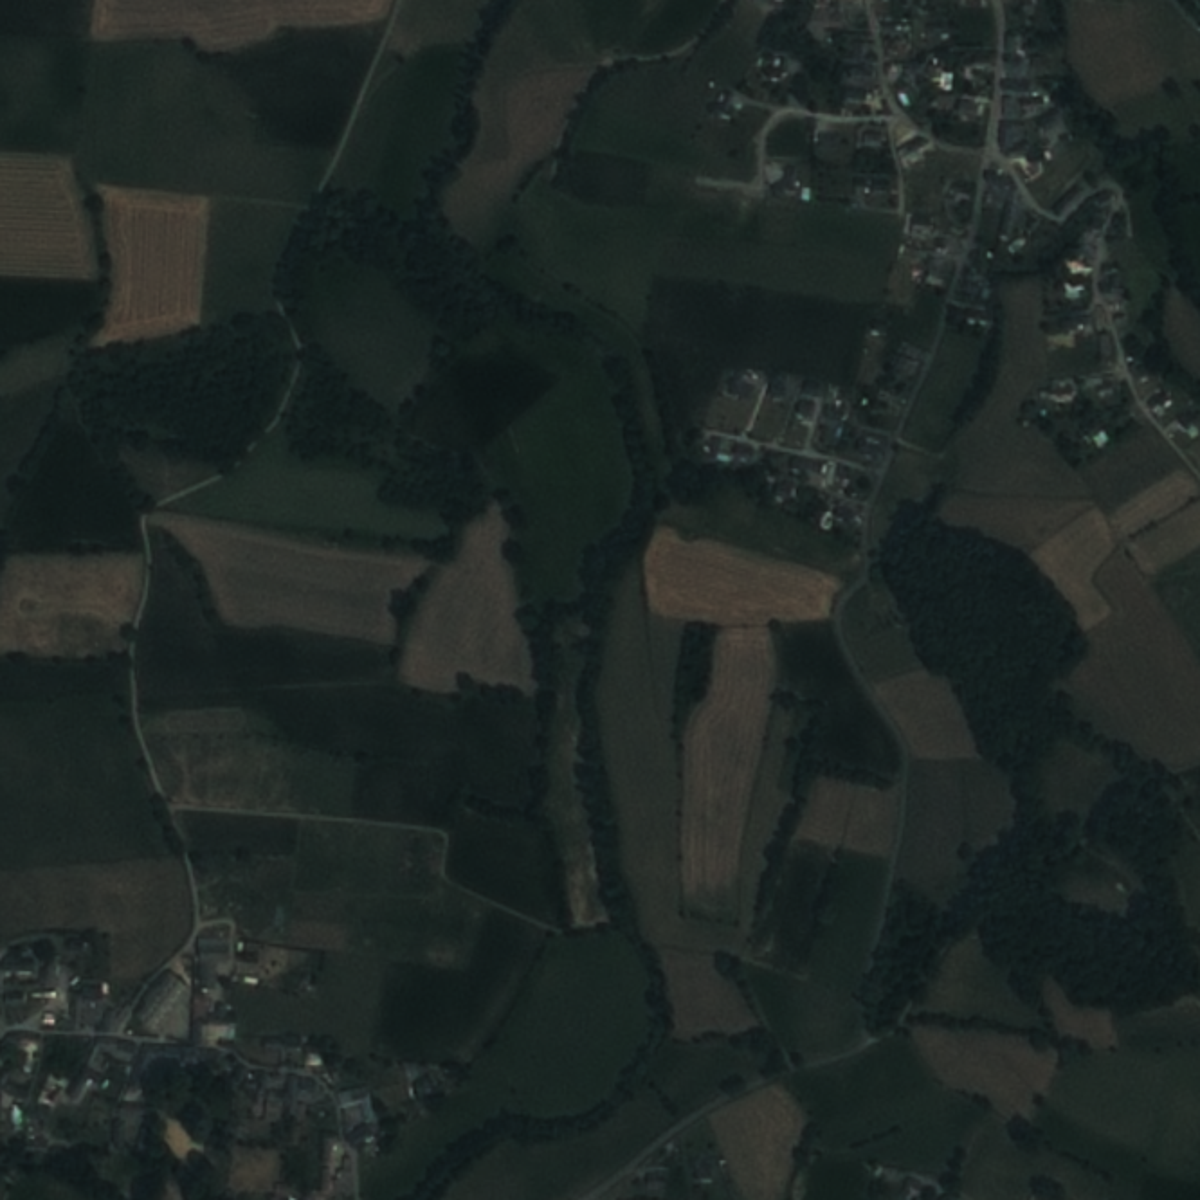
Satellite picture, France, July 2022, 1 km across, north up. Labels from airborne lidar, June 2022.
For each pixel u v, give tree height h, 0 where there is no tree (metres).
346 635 0
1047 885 17
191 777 0
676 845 0
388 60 0
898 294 0
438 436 0
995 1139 0
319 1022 0
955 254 0
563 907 7
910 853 0
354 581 0
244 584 0
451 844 0
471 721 0
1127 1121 0
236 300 0
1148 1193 0
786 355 0
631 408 19
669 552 0
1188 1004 0
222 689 0
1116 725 0
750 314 0
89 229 0
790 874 0
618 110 0
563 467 0
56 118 0
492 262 0
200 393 9
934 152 0
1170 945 16
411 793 0
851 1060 0
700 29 0
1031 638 25
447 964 0
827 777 9
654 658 0
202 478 0
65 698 0
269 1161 0
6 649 0
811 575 0
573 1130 20
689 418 0
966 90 12
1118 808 23
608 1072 0
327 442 7
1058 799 0
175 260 0
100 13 0
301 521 0
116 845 0
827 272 0
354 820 0
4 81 0
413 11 0
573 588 0
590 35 0
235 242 0
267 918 0
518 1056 0
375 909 0
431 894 0
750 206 0
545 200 0
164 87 0
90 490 0
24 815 0
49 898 0
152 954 0
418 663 0
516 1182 0
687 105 0
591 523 0
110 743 0
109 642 0
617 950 0
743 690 0
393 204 0
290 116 0
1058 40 13
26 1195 0
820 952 0
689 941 0
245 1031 0
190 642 0
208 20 0
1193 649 0
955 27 9
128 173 0
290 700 0
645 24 0
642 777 0
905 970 11
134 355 9
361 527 0
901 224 0
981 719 24
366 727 0
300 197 0
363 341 0
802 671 0
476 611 0
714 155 0
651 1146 0
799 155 0
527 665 0
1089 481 0
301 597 0
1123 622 0
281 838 0
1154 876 22
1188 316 0
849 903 0
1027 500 0
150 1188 26
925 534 23
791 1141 0
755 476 15
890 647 0
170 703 0
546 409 0
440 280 15
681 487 22
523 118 0
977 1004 0
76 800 0
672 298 0
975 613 23
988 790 0
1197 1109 0
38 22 0
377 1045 0
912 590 25
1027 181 0
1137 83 0
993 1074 0
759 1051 13
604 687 0
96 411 9
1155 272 0
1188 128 0
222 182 0
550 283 0
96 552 9
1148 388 0
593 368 0
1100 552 0
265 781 0
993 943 24
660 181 0
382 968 0
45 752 0
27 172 0
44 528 0
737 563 0
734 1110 0
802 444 0
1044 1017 11
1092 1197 0
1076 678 0
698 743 0
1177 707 0
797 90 9
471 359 0
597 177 0
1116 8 0
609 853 21
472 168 0
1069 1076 0
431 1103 13
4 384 0
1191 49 0
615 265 0
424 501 12
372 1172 0
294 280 11
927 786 0
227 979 9
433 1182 14
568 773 0
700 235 0
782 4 7
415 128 0
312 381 7
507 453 0
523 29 0
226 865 0
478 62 23
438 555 14
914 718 0
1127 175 15
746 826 0
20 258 0
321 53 0
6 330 0
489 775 0
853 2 0
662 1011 13
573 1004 0
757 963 0
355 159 0
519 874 0
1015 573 25
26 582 0
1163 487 0
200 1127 29
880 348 0
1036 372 0
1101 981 27
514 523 17
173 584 0
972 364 0
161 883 0
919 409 0
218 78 0
